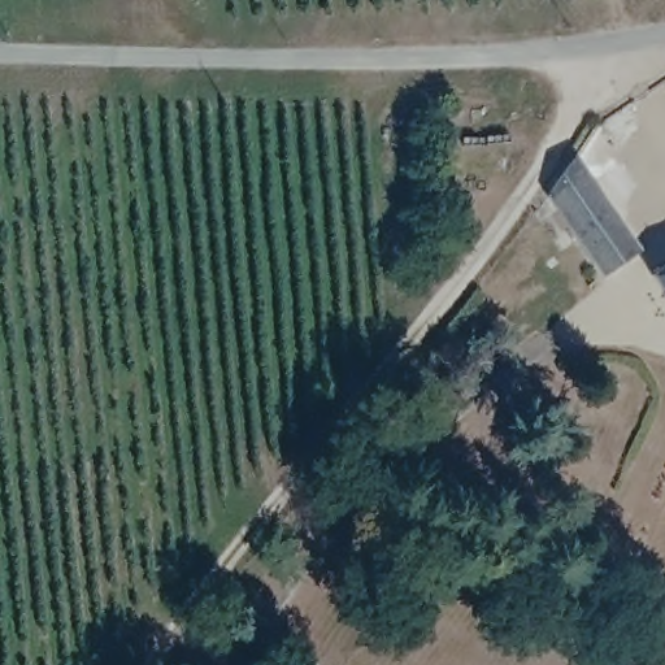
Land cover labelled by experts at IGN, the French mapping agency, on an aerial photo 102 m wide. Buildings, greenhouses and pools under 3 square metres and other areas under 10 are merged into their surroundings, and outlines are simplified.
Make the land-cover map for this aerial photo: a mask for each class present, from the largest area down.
<instances>
[{"label":"deciduous trees","instance_id":"1","mask_svg":"<svg viewBox=\"0 0 665 665\"><path fill-rule=\"evenodd\" d=\"M460 112V99L455 91H449L439 96L436 107L418 112V117L410 122V143L418 145L423 156L418 161H410L408 177L413 179V203L400 213V221L410 223L413 244L410 249L400 252L392 270H384L379 265V221H371L364 112L361 101H353L369 304L379 299L377 281L384 275L410 296L426 301L431 299L439 283H444L460 268L462 257L473 252L483 229L473 216L470 195L455 179L452 151L462 140V125L452 122ZM18 114H10L8 99H0V665H73V652L86 644L88 621L101 626L107 608H114L119 613L132 610L135 616H148L158 623L166 626L171 618V613L158 597L156 551L177 548L179 538L190 540L187 527L205 522L208 517L203 496L197 410L190 369L166 99L161 96L158 107L145 109V99H138L135 107L132 101H125V96H114L107 101L104 96H99V104L94 109L70 117V99L62 96V122L49 125L47 96L39 99V109L31 114L26 94L18 96ZM195 107L200 135V174L208 216L218 364L229 434V468L234 483L242 478V473L236 457V426L229 379L223 294L213 213L208 107L203 99H197ZM216 114L221 151L226 262L239 358L244 447L249 468H257L260 460L252 434L242 296L236 278L231 164L223 99L216 104ZM260 423L268 452L281 460V418L291 413L294 405V377H288L286 371L283 348L281 273L270 213L265 104L257 101L255 112L260 138L262 229L273 294V345L281 395V400L275 403L268 397L260 330L262 312L255 252L244 99H234ZM294 117L312 283V343L314 358L322 361L325 374V382H314V392L335 397V374L327 353V322L330 317H340V283L333 234V200L322 101L314 99L317 169L322 184V221L330 273V314L322 312L320 301L304 107L301 101L294 104ZM333 119L338 143L340 210L348 255V304L351 322H358V275L351 221L343 104L340 99H335ZM182 179L187 197L190 252L195 275L200 379L210 434L213 488H221L223 483L208 361L205 288L197 205L190 166L187 107L184 101H177ZM275 132L288 247L294 348L296 361H304L299 257L286 156V112L278 101ZM507 327L504 322H499L483 338L444 343L439 351L429 356L426 369L421 374L423 387L413 397L397 390H387V384L377 379V395L358 403L353 416L338 423L333 434L335 457H320L314 462L312 491L317 496L307 507L296 509V525L278 522L273 540L257 556L270 569V574L286 584L307 579L309 553L304 548L314 540L320 527H330L343 514H348L356 522V535L351 543L348 566L340 571L343 584L330 590V603L335 605L338 618L356 629L358 647H366L377 655L403 657L405 652L426 644V639L434 634L439 610L444 605L465 603L478 618V631L494 649L517 657L558 652L574 665H665V564L660 569L623 566L618 571L600 566L595 569L590 584L579 590V595H574L569 582H564V574L569 569L566 561L551 564L543 558L509 571L501 579L488 582L486 587H468L457 571L465 566L470 556L460 551L457 540L442 538V548L436 551L416 546L421 530H410L408 514H400L397 509H390L384 504L382 483L392 481V473L382 470V457L387 452L405 455L408 449L426 452L431 442H439L449 434V426L460 418V410L475 405L473 395L478 392L481 374L491 371L496 353H507L501 348V340ZM184 634L195 644H203L208 649L216 655H226L234 642H249L255 636V608L244 603V592H203V597L192 605L190 623L184 629ZM255 665H317L309 631L299 629L281 642L278 649H270L262 662Z\"/></svg>","mask_w":665,"mask_h":665},{"label":"herbaceous vegetation","instance_id":"2","mask_svg":"<svg viewBox=\"0 0 665 665\"><path fill-rule=\"evenodd\" d=\"M629 21H665V0H0V42L179 49H379L416 44L525 42L540 36L584 34L605 26H621ZM449 91H455L460 99V112L452 122L462 125V140L452 151L455 179L470 195L473 216L483 229L491 226L496 213L509 200V195L517 190L520 179L525 177L535 156L538 143L553 122L556 88L543 73L533 70L483 68L410 73L0 65V99H8L10 114H18V96L26 94L31 114L39 109V99L47 96L49 125L62 122V96L70 99V117L94 109L99 104V96H104L107 101L114 96H125V101H132L135 107L138 99H145V109L158 107L161 96L166 99L190 369L197 410L203 496L208 517L205 522L187 527L190 540L179 538L177 548L156 551L158 597L171 613V618L184 629L190 623L192 605L203 597V592H244V603L255 608V636L249 642H234L226 655H216L208 649L197 657L195 665H255L262 662L270 649H278L281 642L299 629L309 631L317 665H574L558 652L517 657L494 649L478 631V618L465 603L444 605L439 610L434 634L426 639V644L405 652L403 657L377 655L366 647H358L356 629L338 618L335 605L330 603V590L343 584L340 571L348 566L351 543L356 535V522L348 514H343L330 527H320L314 540L304 548L309 553L307 579L286 584L270 574V569L257 556L247 548L236 569H223L218 566V553L229 546L239 527L247 530L255 517L268 512L265 499L273 488L283 486V475L307 462V455L314 449V426L325 418V413L330 408H340L366 382L377 379L387 384V390H397L413 397L423 387L421 374L426 369L429 356L439 351L444 343L483 338L499 322H504L507 327L520 330V325H535L546 333L551 317H566L579 299L590 296L595 270H600L595 257L579 242L574 247H558L556 234L543 231L546 221L535 218L538 208L530 203L452 307L455 312H462L465 301L478 288L491 301L481 304V309L470 314L465 322H460L457 330H447V325L439 320L429 327L423 340L410 353L400 356V340L408 325L426 307V301L410 296L384 275L377 281L379 299L369 304L353 101H361L364 112L371 221H379V265L384 270H392L400 252L410 249L413 244L410 223L400 221V213L413 203V179L408 177L410 161H418L423 156L418 145L410 143V122L418 117V112L436 107L439 96ZM197 99H203L208 107L213 213L223 294L229 379L236 426V457L242 473V478L234 483L229 468V434L218 364L208 216L200 174V135L195 107ZM223 99L231 164L236 278L242 296L252 434L260 460L257 468H249L244 447L239 358L226 262L221 151L216 114V104ZM234 99H244L255 252L262 312L260 330L268 397L275 403L281 400V395L273 345V294L262 229L260 138L255 112L257 101L265 104L270 213L281 273L283 348L286 371L288 377H294V405L291 413L281 418V460L268 452L260 423ZM314 99L322 101L333 200V234L340 283V317H330L327 322V353L335 374V397L314 392V382H325V374L322 361L314 358L312 343V283L294 117V104L301 101L304 107L320 301L322 312L330 314V273L322 221V184L317 169ZM335 99H340L343 104L351 221L358 275V322H351L348 304V255L340 210L338 143L333 119ZM177 101H184L187 107L190 166L197 205L205 288L208 361L223 483L221 488H213L210 434L200 379L195 275L190 252L187 197L182 179ZM278 101L286 112V156L299 257L304 361H296L294 348L288 247L275 132ZM639 353L655 377L657 403L647 413L644 426L629 452L618 488H610L618 455L647 392L644 382L631 366L616 358H605L600 364L597 348L587 345V340L582 338L571 351H558L556 361L546 369L525 364V358L507 353H496L491 371L481 374L478 392L473 395L475 405L460 410V418L449 426V434L439 442H431L426 452L429 460H436V475L444 483V496L449 491L468 488L478 509H494V504L514 494L517 514L535 525H540L543 514L556 501H574V494L579 488L592 491L590 501L597 509L590 522L595 525L600 540L608 538V551L600 558V566L618 571L623 566L660 569L665 564V356L649 351ZM613 379L616 395L603 405H592L579 395L582 384L605 387ZM558 405H566V413L574 416L579 423V434L590 439L587 455L577 462L561 465V473L553 468L551 460L530 465L501 462L512 431V418L520 416L527 423H535L538 416ZM158 623L148 616H135L132 610L119 613L114 608H107L101 626L88 621L86 644L73 652V665H148L158 655L153 649V629Z\"/></svg>","mask_w":665,"mask_h":665},{"label":"pervious surface","instance_id":"3","mask_svg":"<svg viewBox=\"0 0 665 665\"><path fill-rule=\"evenodd\" d=\"M543 73L556 88L553 122L538 143L535 156L525 177L520 179L517 190L509 195V200L496 213L491 226L483 229L473 252L462 257L460 268L444 283H439L431 299L426 301V307L408 325L400 340V356L410 353L423 340L429 327L439 320L452 307L530 203L540 187L548 192L556 187L566 166L579 156L582 145L590 140L597 125H605L631 104L636 107V132L626 140L621 156L616 158L626 166L634 182V192L626 203H618L613 208L629 229V234L642 236L644 257H631L613 273L600 270H595L590 296L579 299L566 317H551L546 333L535 325H520V330L507 327L501 340V348L507 353L525 358V364L546 369L556 361L558 351H571L582 338L587 340V345L597 348H626L639 353L649 351L665 356V47H647L605 57L540 60L533 70ZM377 379L366 382L340 408H330L325 413V418L314 426V449L307 455V462L283 475V486L273 488L265 499L268 512L255 517L247 530L239 527L229 546L218 553V566L223 569H236L247 548L257 556L273 540L278 522L296 525V509L307 507L317 496L312 491L314 462L320 457H335L333 434L338 423L353 416L358 403L377 395ZM153 649L158 655L148 665H195L197 657L208 649L203 644H195L184 634V629L171 618L166 626L158 623L153 629Z\"/></svg>","mask_w":665,"mask_h":665},{"label":"impervious surface","instance_id":"4","mask_svg":"<svg viewBox=\"0 0 665 665\"><path fill-rule=\"evenodd\" d=\"M647 47H665V21H629L621 26H605L584 34L540 36L525 42L416 44L379 49H179L0 42V65L410 73L483 68L533 70L540 60L605 57ZM636 132V107L631 104L605 125H597L590 140L582 145L579 156L584 169L592 174V179L597 182V187L613 208L618 203H626L634 192V182L626 166L616 158L621 156L626 140ZM530 203L538 208L535 218L546 221L543 231L556 234L558 247H574L579 242L577 236H569L564 231L566 223L548 192L540 187Z\"/></svg>","mask_w":665,"mask_h":665},{"label":"coniferous trees","instance_id":"5","mask_svg":"<svg viewBox=\"0 0 665 665\"><path fill-rule=\"evenodd\" d=\"M579 395L592 405H603L616 395L613 379L605 387L582 384ZM590 439L579 434V423L574 416L566 413V405H558L538 416L535 423H527L520 416L512 418V431L501 462L530 465L551 460L553 468L561 473V465L577 462L587 455ZM382 470L392 473V481L382 483L384 504L390 509H397L400 514H408L410 530H421L416 546L436 551L442 548V538L457 540L460 551L470 556L465 566L457 571L468 587H486L488 582L501 579L509 571L543 558L551 564L566 561L569 569L564 574V582H569L574 595H579V590L590 584L595 569L600 566V558L608 551V538L600 540L595 525L590 522L597 509L590 501L592 491L579 488L574 494V501H556L543 514L540 525H535L517 514L514 494L494 504V509H478L468 488L449 491L444 496V483L436 475V460H429L426 452L408 449L405 455L387 452L382 457Z\"/></svg>","mask_w":665,"mask_h":665},{"label":"building","instance_id":"6","mask_svg":"<svg viewBox=\"0 0 665 665\"><path fill-rule=\"evenodd\" d=\"M566 223L564 231L569 236H577L579 242L595 257L600 270L613 273L631 257H644L642 236L629 234V229L597 187V182L592 179V174L584 169L579 156L566 166L556 187L548 192Z\"/></svg>","mask_w":665,"mask_h":665},{"label":"brushwood","instance_id":"7","mask_svg":"<svg viewBox=\"0 0 665 665\"><path fill-rule=\"evenodd\" d=\"M491 301L478 288L465 301L462 312H455L452 307L439 320L447 325V330H457L460 322H465L470 314L481 309V304ZM600 364L605 358H616L631 366L644 382L647 392L618 455L610 488H618L629 452L644 426L647 413L657 403L655 377L639 353L626 348H597Z\"/></svg>","mask_w":665,"mask_h":665}]
</instances>
